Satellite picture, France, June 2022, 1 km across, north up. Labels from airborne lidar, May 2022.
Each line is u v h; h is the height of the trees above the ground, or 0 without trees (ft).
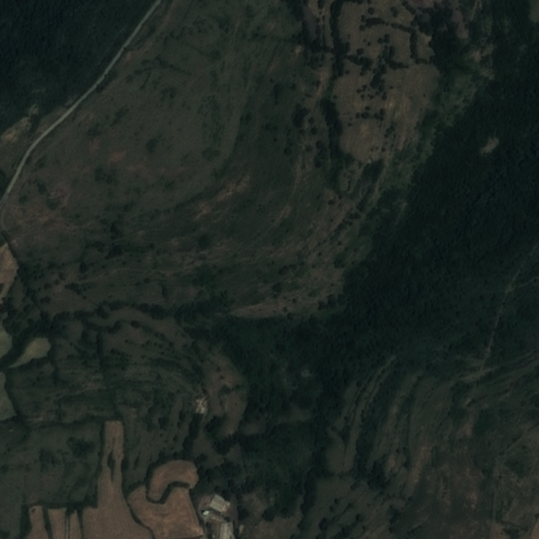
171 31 0
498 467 0
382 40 36
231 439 37
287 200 0
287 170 0
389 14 0
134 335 0
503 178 64
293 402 32
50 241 0
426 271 40
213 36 0
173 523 0
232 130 0
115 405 18
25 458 0
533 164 52
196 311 39
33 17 38
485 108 41
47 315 35
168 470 0
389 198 41
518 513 0
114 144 0
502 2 34
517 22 43
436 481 0
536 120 55
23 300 18
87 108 0
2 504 0
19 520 0
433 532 0
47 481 0
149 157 0
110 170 0
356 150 0
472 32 24
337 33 38
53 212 0
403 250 65
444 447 0
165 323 0
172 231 0
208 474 37
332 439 18
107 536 0
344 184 0
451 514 0
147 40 0
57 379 21
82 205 0
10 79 25
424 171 23
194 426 50
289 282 0
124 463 27
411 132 0
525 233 27
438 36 53
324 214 0
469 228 51
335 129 30
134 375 0
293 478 26
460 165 57
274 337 24
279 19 0
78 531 0
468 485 0
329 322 37
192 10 0
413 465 0
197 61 0
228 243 0
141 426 0
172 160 0
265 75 0
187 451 31
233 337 24
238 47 0
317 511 0
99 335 31
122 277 0
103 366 25
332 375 41
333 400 24
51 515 0
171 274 0
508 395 0
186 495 0
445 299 18
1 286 22
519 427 0
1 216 0
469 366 0
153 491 0
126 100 0
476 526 0
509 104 31
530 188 46
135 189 0
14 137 0
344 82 0
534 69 73
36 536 0
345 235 0
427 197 52
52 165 0
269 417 19
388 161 0
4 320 27
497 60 31
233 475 19
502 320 28
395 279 42
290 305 0
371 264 31
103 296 0
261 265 0
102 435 26
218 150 0
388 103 0
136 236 0
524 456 0
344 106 0
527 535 0
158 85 0
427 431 0
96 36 21
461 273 22
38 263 18
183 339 0
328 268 0
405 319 32
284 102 0
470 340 25
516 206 46
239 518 21
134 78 0
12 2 42
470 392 0
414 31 31
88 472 0
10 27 25
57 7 19
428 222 46
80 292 27
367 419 23
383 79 21
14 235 0
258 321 30
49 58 19
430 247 43
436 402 0
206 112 0
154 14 0
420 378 26
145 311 21
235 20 0
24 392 0
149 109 0
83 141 0
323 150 20
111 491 0
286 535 0
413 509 0
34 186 0
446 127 29
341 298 40
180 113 0
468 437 0
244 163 0
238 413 0
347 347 38
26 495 0
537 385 0
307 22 36
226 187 0
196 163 0
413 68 0
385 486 35
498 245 30
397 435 0
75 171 0
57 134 0
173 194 0
